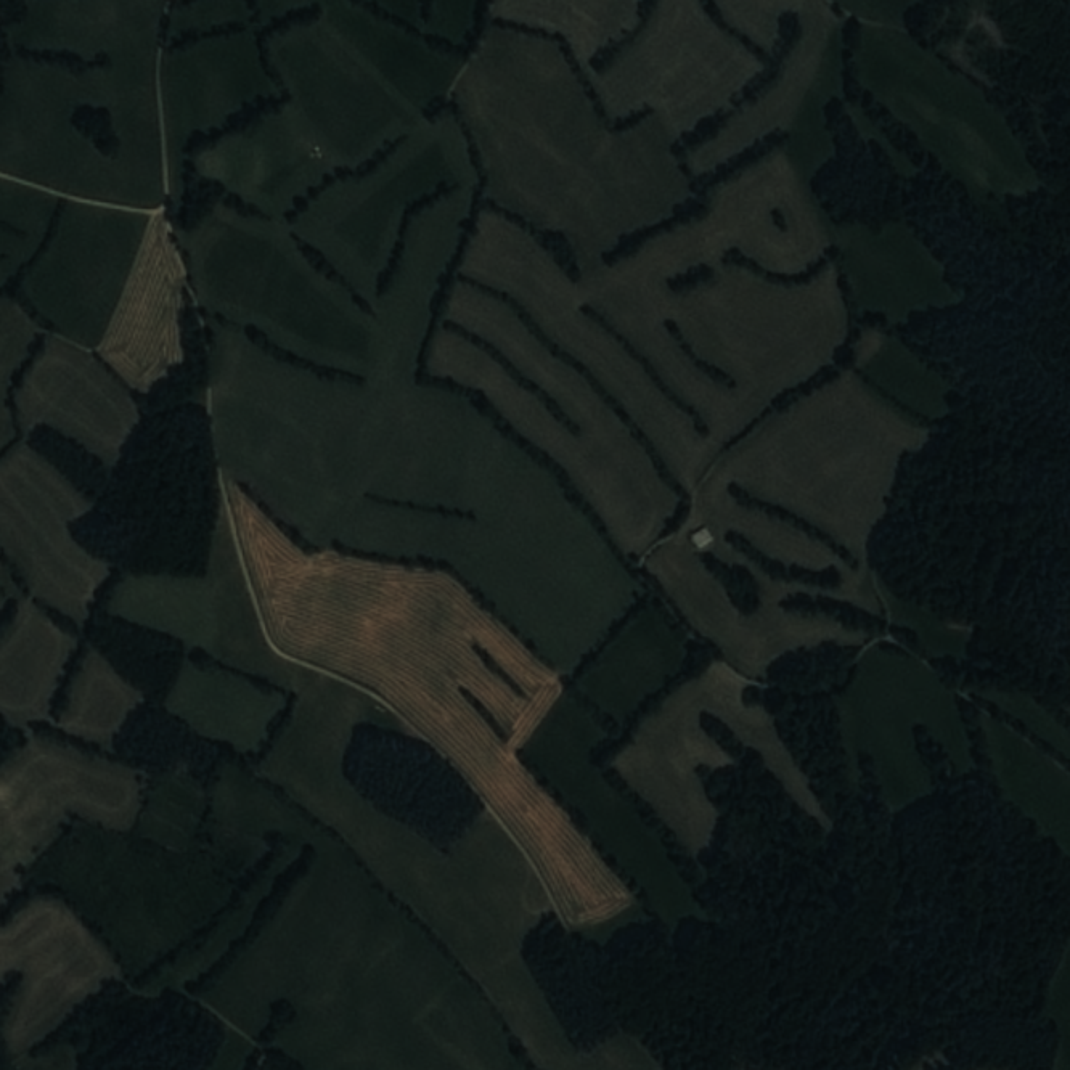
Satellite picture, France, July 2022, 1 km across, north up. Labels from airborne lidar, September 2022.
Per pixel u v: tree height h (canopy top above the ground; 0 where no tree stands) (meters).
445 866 0
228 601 0
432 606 0
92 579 0
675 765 0
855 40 18
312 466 0
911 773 0
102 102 0
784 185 0
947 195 23
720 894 24
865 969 7
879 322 15
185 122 0
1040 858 27
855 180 22
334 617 0
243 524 0
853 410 0
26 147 0
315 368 11
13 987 18
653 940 29
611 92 0
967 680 23
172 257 0
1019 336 27
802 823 24
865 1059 22
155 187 0
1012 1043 18
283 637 0
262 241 0
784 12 0
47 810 0
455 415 0
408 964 0
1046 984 16
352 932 0
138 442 18
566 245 14
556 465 13
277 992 0
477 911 0
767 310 0
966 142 0
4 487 0
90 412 0
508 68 0
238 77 0
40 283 0
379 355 0
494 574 0
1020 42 7
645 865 0
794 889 27
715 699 0
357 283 0
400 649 0
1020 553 25
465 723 0
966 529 27
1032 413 19
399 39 0
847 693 17
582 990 17
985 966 26
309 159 0
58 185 0
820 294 0
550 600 0
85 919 12
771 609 0
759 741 0
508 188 0
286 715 11
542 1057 0
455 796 26
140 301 0
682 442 0
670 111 0
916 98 0
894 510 7
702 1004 14
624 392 0
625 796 13
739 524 0
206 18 0
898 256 0
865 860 25
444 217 0
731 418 0
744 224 0
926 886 18
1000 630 14
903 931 18
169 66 0
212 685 0
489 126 0
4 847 0
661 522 0
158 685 18
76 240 0
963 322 28
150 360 0
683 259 0
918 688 0
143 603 0
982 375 25
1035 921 23
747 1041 23
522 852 0
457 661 0
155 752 21
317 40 0
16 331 0
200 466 16
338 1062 0
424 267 0
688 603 0
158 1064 27
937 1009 30
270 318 0
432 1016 0
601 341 0
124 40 0
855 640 0
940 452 20
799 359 0
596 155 0
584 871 0
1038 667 19
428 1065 0
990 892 25
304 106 0
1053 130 15
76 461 16
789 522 6
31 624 0
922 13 18
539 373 0
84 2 0
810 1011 20
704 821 0
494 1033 0
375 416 0
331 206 0
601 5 0
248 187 0
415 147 0
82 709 0
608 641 12
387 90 0
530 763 14
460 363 0
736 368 0
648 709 15
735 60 0
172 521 16
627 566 7
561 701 0
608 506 0
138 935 0
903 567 29
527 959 15
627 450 0
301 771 0
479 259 0
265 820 0
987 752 14
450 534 0
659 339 0
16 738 16
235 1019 0
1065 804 0
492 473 0
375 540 0
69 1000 0
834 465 0
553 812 0
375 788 26
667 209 0
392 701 0
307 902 0
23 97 0
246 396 0
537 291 0
